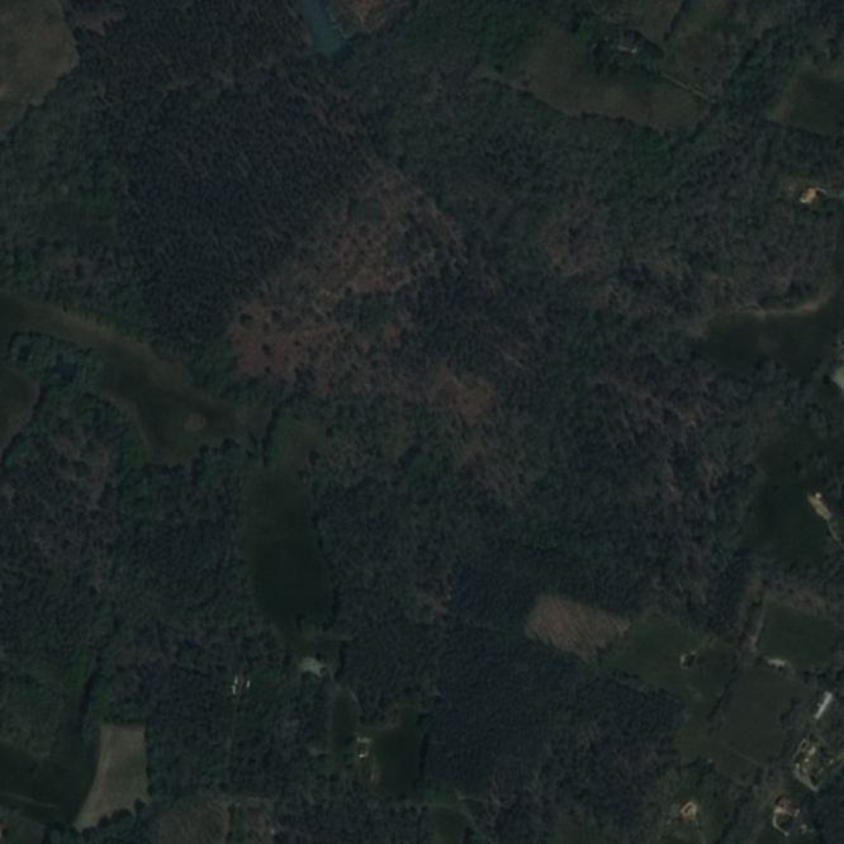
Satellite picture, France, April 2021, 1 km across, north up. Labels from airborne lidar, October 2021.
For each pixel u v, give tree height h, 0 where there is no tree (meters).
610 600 17
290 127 21
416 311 22
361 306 19
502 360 16
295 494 0
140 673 10
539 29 18
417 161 21
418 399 13
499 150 13
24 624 17
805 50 16
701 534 25
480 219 19
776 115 15
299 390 10
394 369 10
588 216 13
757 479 24
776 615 0
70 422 14
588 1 11
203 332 24
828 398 0
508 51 17
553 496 23
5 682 19
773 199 18
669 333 11
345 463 10
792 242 16
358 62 21
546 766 16
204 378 8
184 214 24
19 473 19
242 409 12
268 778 17
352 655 22
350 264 7
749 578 22
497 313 26
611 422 19
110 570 8
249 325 18
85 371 13
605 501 19
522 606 18
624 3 14
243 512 9
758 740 0
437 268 14
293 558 0
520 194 17
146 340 19
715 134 16
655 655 0
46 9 0
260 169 20
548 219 21
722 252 19
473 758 15
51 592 19
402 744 0
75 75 7
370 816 21
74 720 0
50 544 17
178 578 19
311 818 22
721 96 10
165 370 0
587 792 27
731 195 9
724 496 14
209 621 15
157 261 22
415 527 23
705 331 0
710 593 15
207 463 17
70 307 16
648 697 9
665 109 0
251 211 24
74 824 0
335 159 21
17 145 18
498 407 11
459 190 18
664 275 17
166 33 24
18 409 0
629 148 15
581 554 14
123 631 22
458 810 19
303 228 22
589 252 9
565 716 18
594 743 16
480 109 17
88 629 18
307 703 16
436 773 18
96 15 25
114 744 0
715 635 20
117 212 21
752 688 0
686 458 14
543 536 20
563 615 24
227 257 18
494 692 17
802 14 16
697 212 9
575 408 18
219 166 22
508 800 12
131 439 28
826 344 0
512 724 16
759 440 9
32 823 0
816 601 17
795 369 0
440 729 17
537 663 15
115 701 17
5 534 23
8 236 20
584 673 18
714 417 14
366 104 23
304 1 0
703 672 11
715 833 0
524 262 23
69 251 14
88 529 16
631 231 19
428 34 15
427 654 25
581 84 0
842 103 0
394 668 23
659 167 23
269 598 0
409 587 19
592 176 20
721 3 0
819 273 17
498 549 16
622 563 20
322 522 17
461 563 13
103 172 26
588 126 18
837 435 19
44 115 19
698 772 8
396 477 16
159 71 20
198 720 18
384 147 24
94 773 0
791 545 0
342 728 0
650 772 16
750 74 18
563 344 20
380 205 14
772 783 20
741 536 7
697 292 30
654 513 16
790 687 0
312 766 21
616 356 27
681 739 0
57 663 18
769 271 19
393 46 16
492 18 22
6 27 0
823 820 21
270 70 25
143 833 18
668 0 0
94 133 26
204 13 21
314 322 10
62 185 19
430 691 11
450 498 19
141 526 21
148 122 26
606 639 26
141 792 0
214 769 7
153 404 0
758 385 10
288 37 25
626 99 0
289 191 22
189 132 24
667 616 18
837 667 9
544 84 0
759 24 16
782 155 16
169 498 29
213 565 21
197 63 27
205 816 22
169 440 0
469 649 16
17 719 13
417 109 27
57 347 11
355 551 14
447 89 6
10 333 0
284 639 0
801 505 0
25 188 21
